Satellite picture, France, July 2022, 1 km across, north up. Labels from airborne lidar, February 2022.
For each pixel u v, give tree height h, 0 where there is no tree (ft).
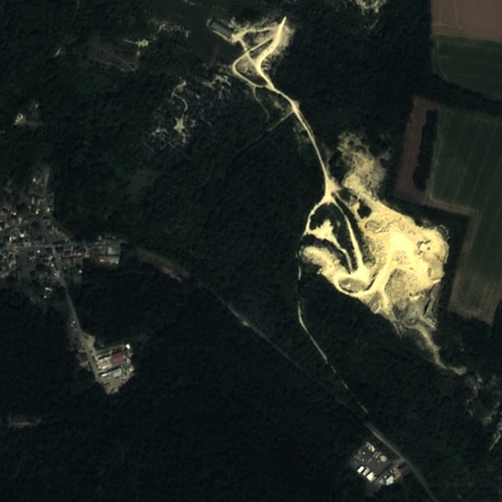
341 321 38
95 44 0
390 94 73
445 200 0
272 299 27
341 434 73
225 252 28
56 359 92
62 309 64
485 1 0
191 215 21
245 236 51
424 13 38
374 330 46
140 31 18
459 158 0
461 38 0
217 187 50
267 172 67
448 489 19
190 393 74
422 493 27
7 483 59
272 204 59
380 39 87
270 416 46
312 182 29
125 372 0
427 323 0
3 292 40
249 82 0
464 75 0
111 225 40
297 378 31
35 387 62
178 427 67
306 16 27
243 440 28
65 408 91
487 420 0
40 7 34
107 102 52
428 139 64
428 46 56
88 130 51
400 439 42
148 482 91
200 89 27
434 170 0
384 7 32
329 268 0
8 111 60
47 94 57
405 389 55
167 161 43
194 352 60
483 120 0
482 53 0
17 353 25
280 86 19
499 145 0
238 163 32
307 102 26
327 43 50
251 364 57
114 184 46
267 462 74
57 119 46
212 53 0
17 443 76
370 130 31
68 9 40
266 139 24
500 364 40
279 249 64
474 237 0
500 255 0
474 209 0
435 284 0
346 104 45
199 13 0
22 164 24
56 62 27
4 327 61
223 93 25
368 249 0
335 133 23
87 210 37
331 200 0
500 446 31
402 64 63
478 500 34
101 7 33
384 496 63
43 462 71
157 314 44
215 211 65
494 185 0
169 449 79
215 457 72
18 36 62
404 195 0
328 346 46
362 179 0
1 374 57
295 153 40
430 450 52
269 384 53
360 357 45
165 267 58
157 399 55
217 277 26
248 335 60
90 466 61
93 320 30
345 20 38
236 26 0
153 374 60
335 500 80
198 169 55
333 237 0
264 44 0
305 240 30
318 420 56
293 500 81
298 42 26
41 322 80
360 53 68
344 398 58
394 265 0
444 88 68
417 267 0
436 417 35
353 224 18
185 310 68
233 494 132
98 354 0
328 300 65
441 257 0
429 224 0
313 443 33
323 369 27
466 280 0
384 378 51
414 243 0
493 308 0
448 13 0
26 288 73
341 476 18
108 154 58
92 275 57
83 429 100
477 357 48
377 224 0
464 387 27
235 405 66
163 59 31
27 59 73
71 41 0
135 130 24
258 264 44
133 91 42
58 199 25
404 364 39
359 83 30
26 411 75
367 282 0
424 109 0
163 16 0
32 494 65
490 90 0
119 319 63
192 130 32
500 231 0
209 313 97
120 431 67
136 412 77
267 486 71
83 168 77
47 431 89
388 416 50
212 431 72
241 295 39
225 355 43
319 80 57
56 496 55
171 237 19
